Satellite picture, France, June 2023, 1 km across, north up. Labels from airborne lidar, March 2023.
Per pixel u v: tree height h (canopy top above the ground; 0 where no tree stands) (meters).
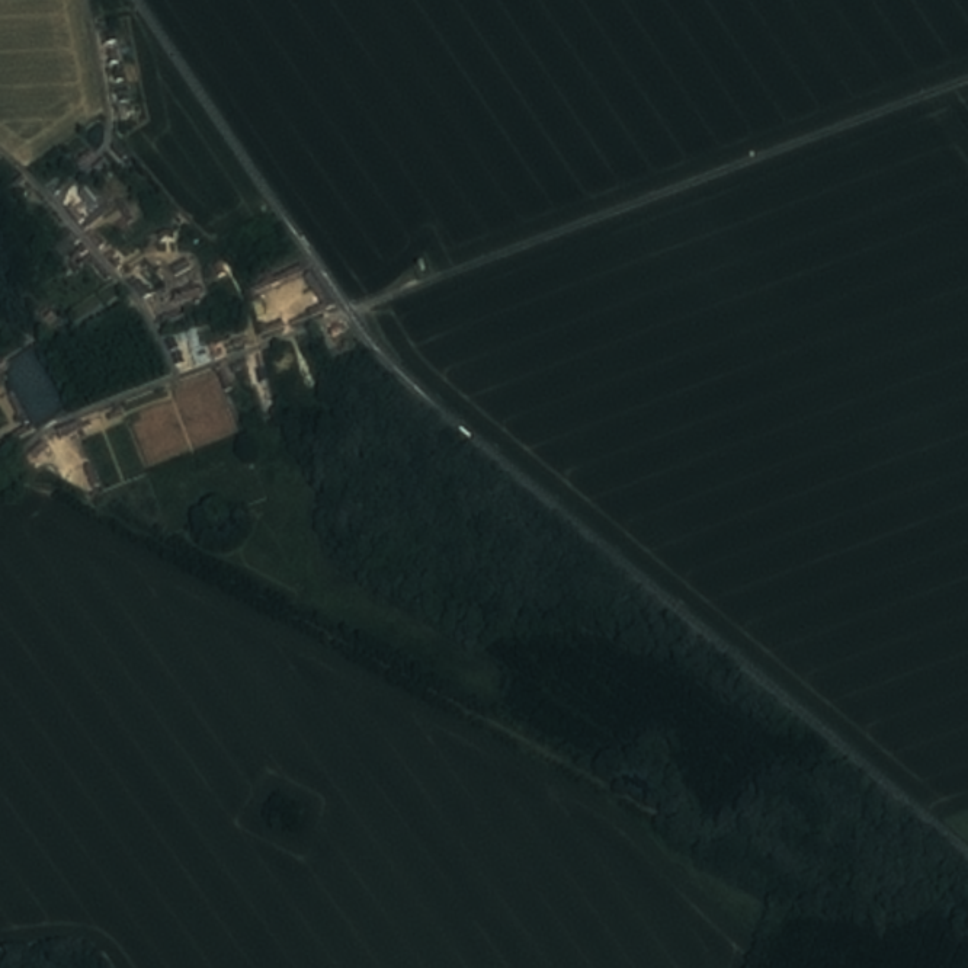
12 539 0
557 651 9
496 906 0
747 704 19
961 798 0
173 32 0
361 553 15
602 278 0
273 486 0
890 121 0
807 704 0
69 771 0
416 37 0
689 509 0
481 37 0
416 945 0
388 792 0
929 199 0
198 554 8
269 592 7
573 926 0
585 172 0
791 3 0
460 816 0
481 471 20
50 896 0
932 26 0
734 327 0
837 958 7
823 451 0
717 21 0
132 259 0
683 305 0
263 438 0
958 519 0
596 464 0
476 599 13
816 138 0
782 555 0
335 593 0
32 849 0
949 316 0
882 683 0
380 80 0
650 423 0
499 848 0
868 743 0
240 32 0
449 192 0
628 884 0
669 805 18
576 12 0
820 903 24
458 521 19
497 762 0
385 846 0
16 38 0
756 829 26
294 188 0
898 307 0
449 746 0
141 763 0
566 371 0
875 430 0
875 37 0
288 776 0
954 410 0
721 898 0
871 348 0
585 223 0
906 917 16
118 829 0
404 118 0
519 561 22
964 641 0
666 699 7
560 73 0
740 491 0
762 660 0
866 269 0
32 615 0
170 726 0
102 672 0
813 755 9
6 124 0
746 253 0
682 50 0
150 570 0
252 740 0
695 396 0
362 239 0
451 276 0
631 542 0
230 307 10
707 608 0
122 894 0
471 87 0
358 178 0
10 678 0
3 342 23
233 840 0
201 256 0
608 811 0
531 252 0
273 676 0
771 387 0
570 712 6
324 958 0
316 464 19
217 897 0
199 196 0
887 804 20
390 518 19
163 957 0
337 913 0
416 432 20
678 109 0
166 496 0
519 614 15
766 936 9
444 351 0
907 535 0
